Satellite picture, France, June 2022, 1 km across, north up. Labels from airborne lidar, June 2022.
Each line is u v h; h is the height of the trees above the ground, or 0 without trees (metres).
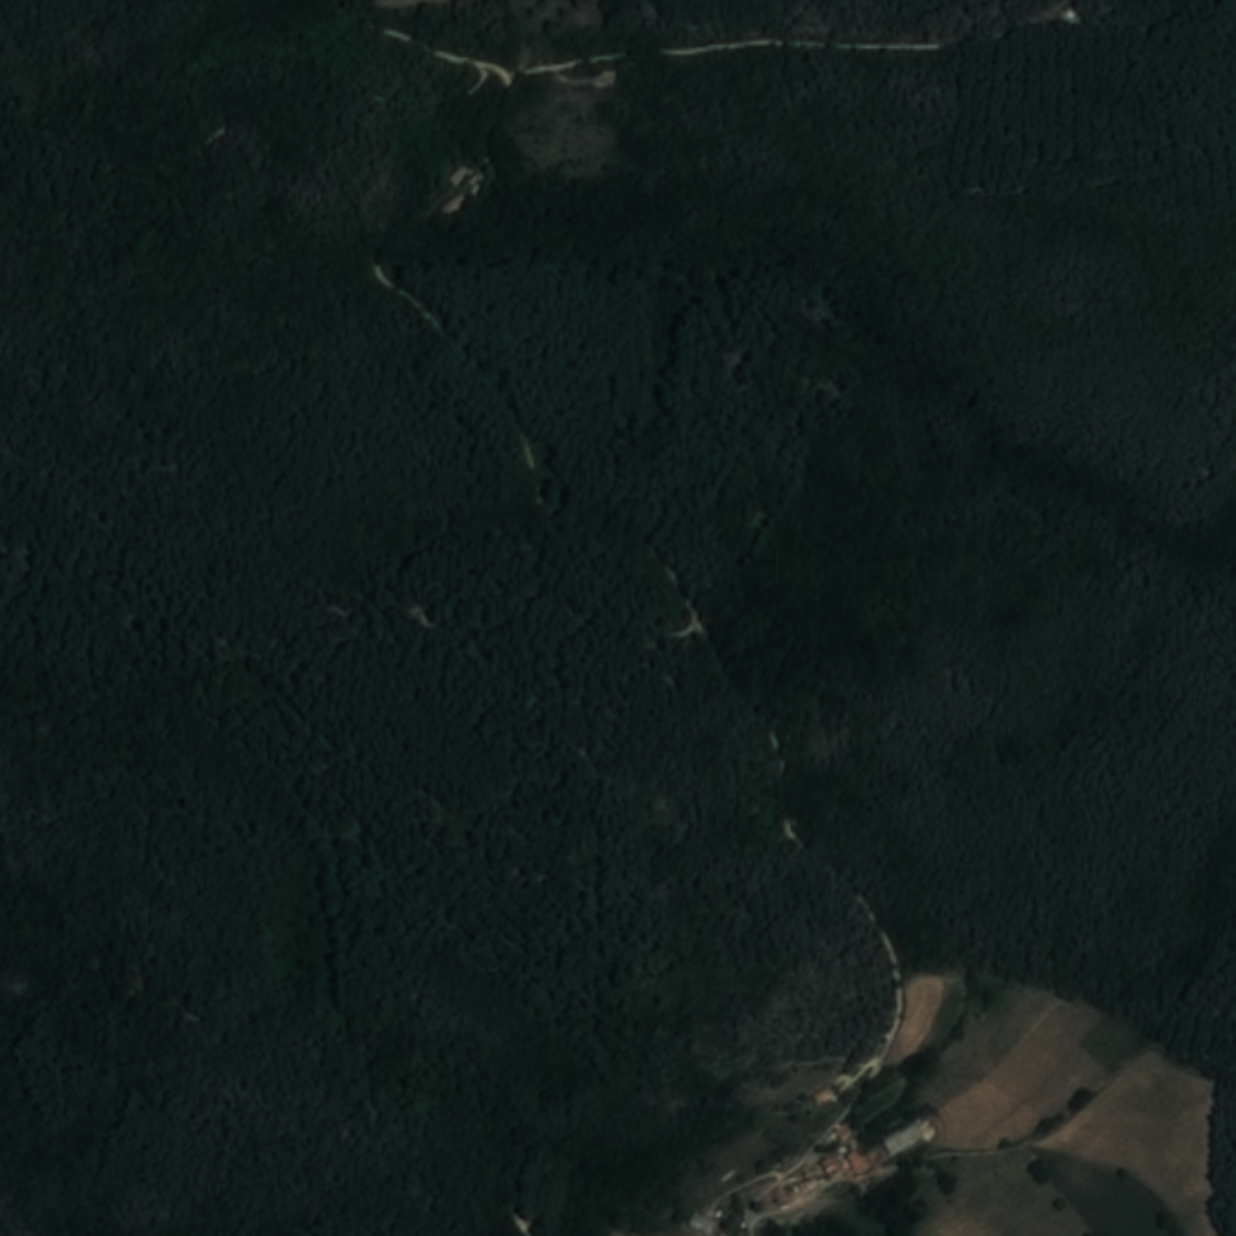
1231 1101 14
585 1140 12
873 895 17
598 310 33
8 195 22
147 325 17
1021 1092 0
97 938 13
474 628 28
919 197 11
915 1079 14
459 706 26
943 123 13
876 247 17
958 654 15
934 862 19
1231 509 18
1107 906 11
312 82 14
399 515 16
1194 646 20
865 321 24
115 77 10
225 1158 14
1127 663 22
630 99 7
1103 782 19
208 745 14
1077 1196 0
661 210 14
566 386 30
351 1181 19
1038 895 20
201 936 27
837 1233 12
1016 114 21
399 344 15
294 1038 25
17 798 9
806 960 11
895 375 24
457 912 19
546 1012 11
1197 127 21
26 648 29
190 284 22
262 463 20
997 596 19
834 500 27
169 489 21
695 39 7
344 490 25
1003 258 18
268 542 24
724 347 35
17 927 12
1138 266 16
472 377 30
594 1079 21
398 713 27
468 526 19
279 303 18
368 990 31
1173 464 15
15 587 11
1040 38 18
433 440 28
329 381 24
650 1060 17
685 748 20
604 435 25
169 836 14
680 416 24
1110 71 24
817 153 15
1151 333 22
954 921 14
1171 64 24
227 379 21
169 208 16
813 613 27
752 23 24
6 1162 11
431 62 11
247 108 10
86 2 11
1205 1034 15
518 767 24
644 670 20
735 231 25
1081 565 16
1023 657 24
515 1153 21
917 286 22
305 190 20
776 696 19
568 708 22
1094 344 21
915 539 21
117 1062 8
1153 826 19
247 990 35
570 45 6
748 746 16
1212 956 20
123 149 13
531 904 18
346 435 25
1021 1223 0
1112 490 18
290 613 27
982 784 22
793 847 12
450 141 14
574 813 24
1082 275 20
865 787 8
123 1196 14
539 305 30
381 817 23
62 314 8
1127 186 16
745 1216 7
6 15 10
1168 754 24
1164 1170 0
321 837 17
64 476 20
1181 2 13
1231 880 29
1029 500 27
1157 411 18
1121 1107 0
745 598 24
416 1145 25
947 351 17
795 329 23
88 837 14
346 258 20
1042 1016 0
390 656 21
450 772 24
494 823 13
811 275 24
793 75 15
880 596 23
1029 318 15
